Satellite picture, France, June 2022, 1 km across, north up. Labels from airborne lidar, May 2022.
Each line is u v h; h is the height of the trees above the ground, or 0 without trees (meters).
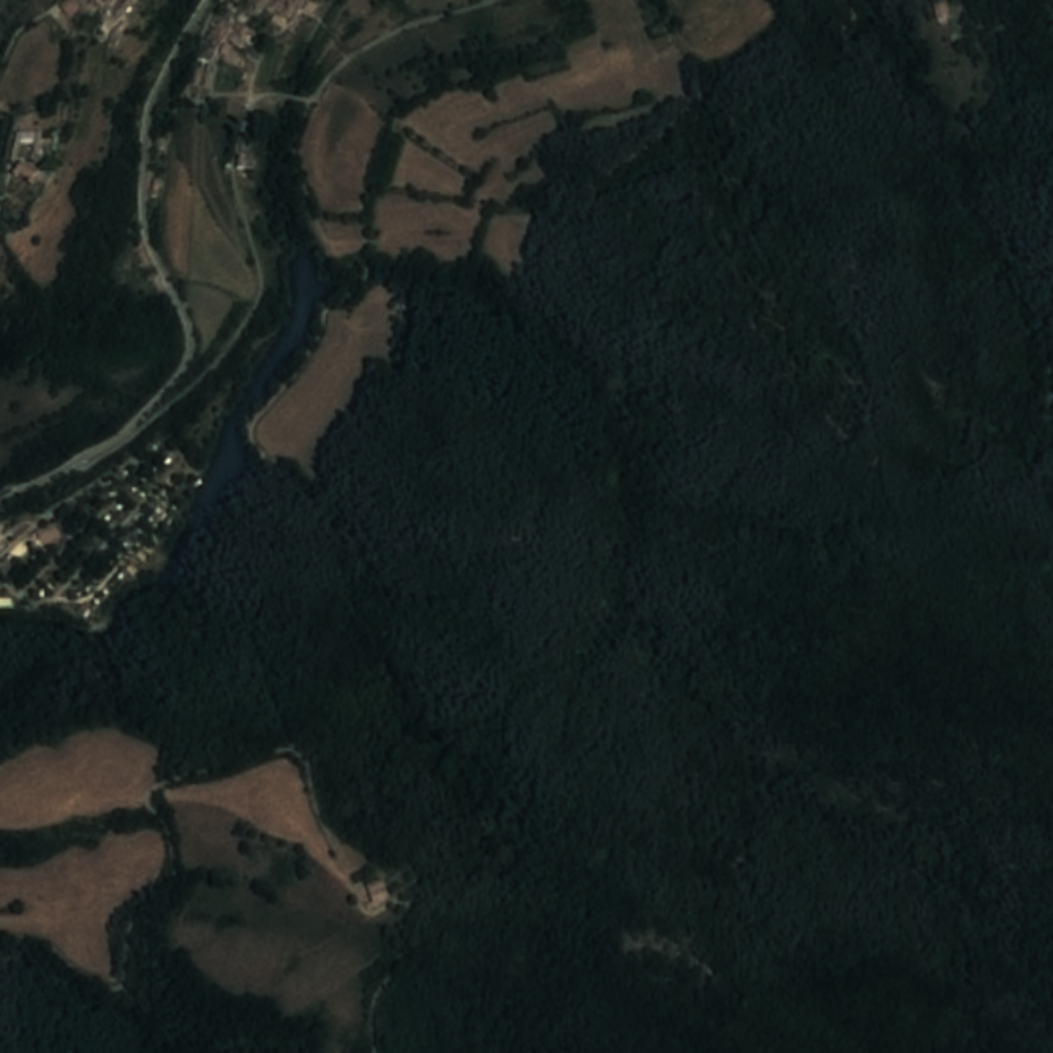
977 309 20
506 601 19
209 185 0
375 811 9
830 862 13
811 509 13
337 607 17
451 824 20
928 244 9
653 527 14
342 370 0
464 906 13
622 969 11
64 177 0
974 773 10
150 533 9
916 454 14
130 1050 21
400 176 0
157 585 11
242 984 0
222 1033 16
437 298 21
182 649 13
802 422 16
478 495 17
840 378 10
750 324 17
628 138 19
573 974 10
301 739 13
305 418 0
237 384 12
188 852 0
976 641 14
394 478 19
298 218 16
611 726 16
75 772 0
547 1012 10
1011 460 11
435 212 0
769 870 16
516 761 16
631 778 17
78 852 0
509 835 14
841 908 19
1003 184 21
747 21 0
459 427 17
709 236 16
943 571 19
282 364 10
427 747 20
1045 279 17
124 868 0
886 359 17
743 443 11
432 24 0
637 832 13
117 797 0
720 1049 17
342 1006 0
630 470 14
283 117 17
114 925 7
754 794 16
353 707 13
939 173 14
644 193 22
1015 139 15
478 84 12
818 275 10
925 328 16
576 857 17
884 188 9
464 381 26
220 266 0
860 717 14
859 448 17
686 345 20
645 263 11
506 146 0
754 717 10
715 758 15
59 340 17
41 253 0
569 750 14
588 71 0
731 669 15
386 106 0
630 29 0
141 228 13
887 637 14
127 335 8
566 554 16
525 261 6
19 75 0
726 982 15
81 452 9
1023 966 15
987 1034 17
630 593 25
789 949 17
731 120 14
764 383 12
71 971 13
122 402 9
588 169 16
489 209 11
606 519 11
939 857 10
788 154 14
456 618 14
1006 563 10
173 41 19
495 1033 13
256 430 0
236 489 12
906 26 10
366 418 20
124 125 13
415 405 24
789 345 8
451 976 11
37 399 0
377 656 21
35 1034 19
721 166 19
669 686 21
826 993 20
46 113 15
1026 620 12
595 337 19
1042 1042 8
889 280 16
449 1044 10
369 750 17
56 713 16
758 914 16
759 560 9
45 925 0
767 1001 17
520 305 19
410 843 12
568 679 12
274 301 12
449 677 20
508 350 28
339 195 0
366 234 10
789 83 14
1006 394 14
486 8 0
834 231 13
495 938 13
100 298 19
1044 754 12
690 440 11
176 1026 8
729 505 10
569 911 13
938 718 14
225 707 16
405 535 18
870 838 15
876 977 18
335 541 17
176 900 13
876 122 11
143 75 14
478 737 11
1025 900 14
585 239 17
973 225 18
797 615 16
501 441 19
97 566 14
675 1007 17
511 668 14
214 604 20
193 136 0
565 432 26
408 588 12
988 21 12
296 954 0
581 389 28
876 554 12
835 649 17
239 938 0
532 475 11
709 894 15
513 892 17
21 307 9
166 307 14
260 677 15
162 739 16
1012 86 13
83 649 21
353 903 8
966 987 21
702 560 15
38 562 13
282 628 14
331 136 0
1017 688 11
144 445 11
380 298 0
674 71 0
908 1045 14
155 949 9
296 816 0
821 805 23
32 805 0
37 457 12
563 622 17
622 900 11
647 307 20
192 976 14
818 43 7
